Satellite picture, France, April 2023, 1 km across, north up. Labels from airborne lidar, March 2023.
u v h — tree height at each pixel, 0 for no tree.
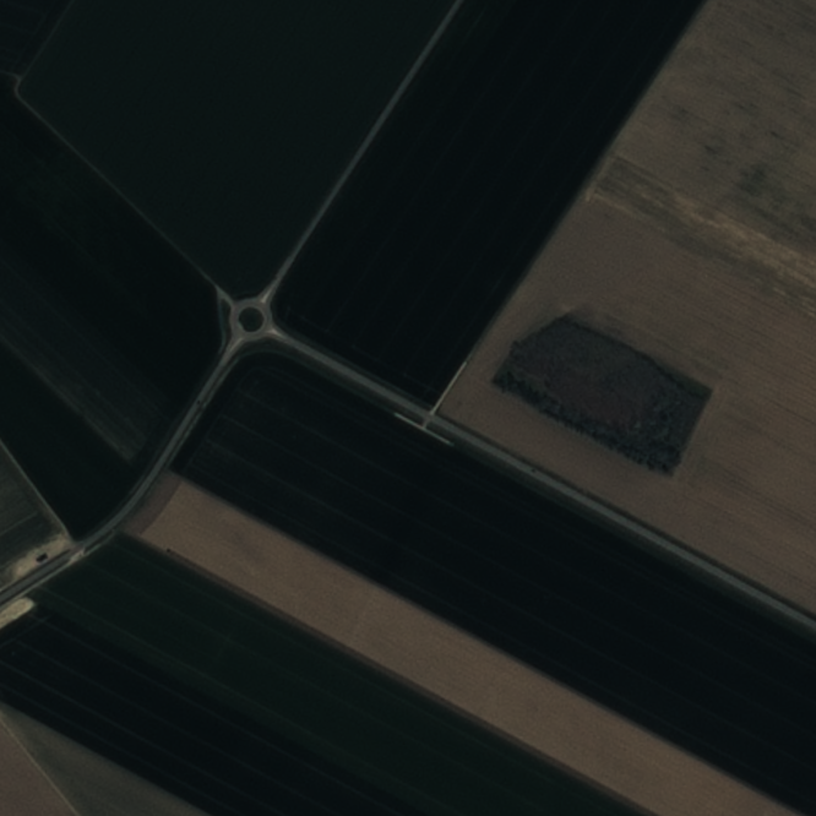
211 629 0
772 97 0
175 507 0
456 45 0
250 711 0
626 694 0
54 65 0
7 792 0
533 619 0
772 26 0
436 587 0
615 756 0
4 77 0
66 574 0
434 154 0
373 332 0
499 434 0
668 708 0
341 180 0
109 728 0
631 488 0
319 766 0
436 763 0
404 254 0
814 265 0
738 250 0
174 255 0
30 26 0
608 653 0
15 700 0
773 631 0
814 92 0
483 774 0
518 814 0
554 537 0
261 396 0
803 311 0
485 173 0
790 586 0
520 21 0
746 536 0
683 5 0
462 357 0
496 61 0
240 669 0
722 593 0
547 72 0
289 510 0
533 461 0
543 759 0
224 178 0
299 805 0
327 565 0
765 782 0
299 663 0
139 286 0
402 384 0
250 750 0
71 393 0
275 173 0
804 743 0
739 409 0
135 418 0
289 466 0
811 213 0
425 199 0
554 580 0
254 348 0
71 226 0
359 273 0
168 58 0
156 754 0
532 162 0
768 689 0
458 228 0
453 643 0
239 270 0
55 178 0
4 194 0
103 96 0
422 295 0
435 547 0
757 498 0
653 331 0
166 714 0
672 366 0
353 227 0
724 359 0
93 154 0
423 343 0
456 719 0
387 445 0
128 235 0
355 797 0
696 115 0
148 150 0
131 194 0
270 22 0
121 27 0
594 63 0
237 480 0
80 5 0
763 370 0
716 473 0
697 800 0
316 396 0
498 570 0
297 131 0
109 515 0
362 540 0
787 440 0
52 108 0
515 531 0
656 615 0
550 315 0
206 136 0
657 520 0
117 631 0
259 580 0
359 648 0
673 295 0
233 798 0
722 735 0
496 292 0
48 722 0
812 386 0
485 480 0
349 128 0
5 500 0
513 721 0
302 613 0
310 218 0
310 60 0
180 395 0
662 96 0
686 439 6
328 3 0
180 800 0
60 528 0
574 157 0
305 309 0
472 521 0
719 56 0
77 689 0
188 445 0
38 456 0
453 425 0
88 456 0
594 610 0
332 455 0
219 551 0
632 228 0
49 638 0
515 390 11
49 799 0
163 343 0
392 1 0
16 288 0
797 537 0
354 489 0
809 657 0
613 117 0
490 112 0
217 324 0
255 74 0
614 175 0
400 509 0
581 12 0
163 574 0
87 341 0
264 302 0
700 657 0
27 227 0
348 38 0
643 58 0
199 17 0
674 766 0
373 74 0
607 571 0
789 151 0
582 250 0
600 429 10
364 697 0
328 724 0
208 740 0
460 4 0
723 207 0
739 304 0
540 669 0
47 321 0
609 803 0
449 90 0
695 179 0
